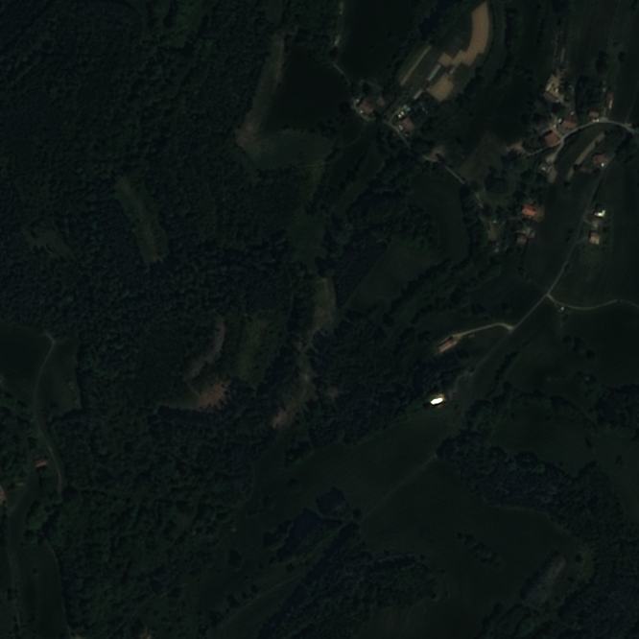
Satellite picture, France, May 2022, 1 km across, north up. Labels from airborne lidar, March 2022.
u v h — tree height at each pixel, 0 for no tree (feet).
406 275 0
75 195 64
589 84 50
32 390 0
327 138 68
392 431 0
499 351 0
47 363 0
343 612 59
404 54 21
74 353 0
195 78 80
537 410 0
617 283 0
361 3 0
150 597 30
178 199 108
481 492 86
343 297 68
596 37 0
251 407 65
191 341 43
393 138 30
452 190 0
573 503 68
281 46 0
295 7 61
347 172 0
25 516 0
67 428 28
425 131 41
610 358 0
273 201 54
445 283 53
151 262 0
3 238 36
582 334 0
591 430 62
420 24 0
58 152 42
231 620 0
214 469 58
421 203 0
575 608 93
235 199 71
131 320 81
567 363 0
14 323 65
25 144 64
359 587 35
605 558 26
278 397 72
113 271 81
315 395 0
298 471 0
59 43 50
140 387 43
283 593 0
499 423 20
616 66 0
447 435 0
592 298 0
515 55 30
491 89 0
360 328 76
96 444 86
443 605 0
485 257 66
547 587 74
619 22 0
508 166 68
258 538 0
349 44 0
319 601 99
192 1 47
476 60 0
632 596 90
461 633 0
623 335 0
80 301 63
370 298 0
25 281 74
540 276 0
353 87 26
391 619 0
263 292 91
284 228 30
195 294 100
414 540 0
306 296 106
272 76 0
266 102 0
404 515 0
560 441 0
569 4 61
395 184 71
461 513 0
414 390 74
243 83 77
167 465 93
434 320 0
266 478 0
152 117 98
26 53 75
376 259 56
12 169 26
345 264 88
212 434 60
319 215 101
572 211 0
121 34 60
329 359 91
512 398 34
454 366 68
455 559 0
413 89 0
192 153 62
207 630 24
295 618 72
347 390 53
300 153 0
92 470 41
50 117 43
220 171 40
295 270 89
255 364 0
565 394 0
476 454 92
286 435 0
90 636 66
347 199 0
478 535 0
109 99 61
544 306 0
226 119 69
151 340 33
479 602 0
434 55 0
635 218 0
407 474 0
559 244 0
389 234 58
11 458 47
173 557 54
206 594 0
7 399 51
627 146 41
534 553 0
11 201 36
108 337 44
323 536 60
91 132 48
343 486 0
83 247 63
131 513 50
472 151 0
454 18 58
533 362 0
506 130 0
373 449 0
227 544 0
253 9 51
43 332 45
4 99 33
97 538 74
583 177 0
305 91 0
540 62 0
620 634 48
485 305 0
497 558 51
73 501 83
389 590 23
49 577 0
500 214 31
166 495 60
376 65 0
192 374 0
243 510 0
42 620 0
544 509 32
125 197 0
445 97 0
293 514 0
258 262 84
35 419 39
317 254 0
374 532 0
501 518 0
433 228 56
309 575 0
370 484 0
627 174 0
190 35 0
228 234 53
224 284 80
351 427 94
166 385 47
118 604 88
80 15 61
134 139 79
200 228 101
